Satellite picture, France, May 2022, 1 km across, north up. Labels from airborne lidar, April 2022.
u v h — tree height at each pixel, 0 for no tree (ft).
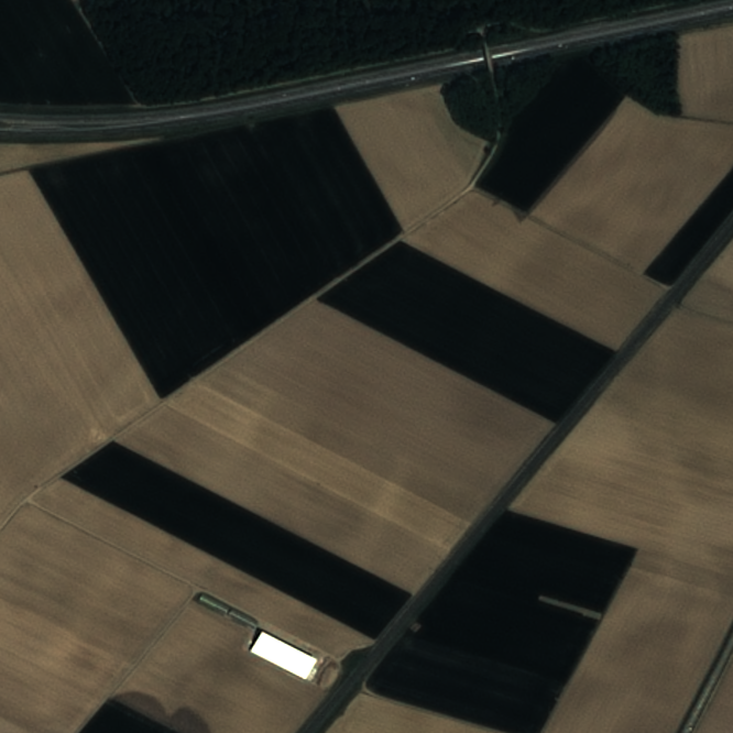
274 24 94
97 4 47
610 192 0
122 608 0
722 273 0
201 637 0
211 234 0
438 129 0
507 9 67
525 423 0
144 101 45
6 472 0
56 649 0
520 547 0
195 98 35
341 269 0
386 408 0
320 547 0
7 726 0
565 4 61
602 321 0
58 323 0
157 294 0
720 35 0
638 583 0
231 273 0
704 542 0
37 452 0
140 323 0
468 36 39
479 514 0
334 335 0
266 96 0
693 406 0
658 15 0
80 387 0
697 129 0
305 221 0
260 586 0
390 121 0
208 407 0
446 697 0
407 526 0
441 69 0
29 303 0
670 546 0
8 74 0
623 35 0
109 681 0
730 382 0
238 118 0
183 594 0
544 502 0
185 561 0
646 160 0
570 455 0
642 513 0
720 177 0
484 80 59
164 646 0
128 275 0
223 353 0
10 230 0
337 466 0
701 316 0
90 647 0
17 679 0
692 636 0
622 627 0
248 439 0
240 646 0
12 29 0
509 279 0
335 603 0
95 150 0
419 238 0
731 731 0
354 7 86
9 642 0
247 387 0
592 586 0
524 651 0
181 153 0
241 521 0
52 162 0
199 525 0
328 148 0
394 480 0
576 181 0
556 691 0
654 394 0
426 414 0
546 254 0
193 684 0
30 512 0
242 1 57
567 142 0
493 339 0
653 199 0
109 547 0
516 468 0
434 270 0
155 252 0
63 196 0
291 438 0
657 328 0
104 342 0
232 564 0
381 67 0
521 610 0
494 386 0
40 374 0
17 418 0
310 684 0
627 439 0
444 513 0
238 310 0
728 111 0
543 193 0
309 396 0
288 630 0
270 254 0
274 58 83
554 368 0
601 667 0
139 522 0
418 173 0
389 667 0
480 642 0
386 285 0
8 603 0
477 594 0
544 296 0
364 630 0
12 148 0
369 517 0
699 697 0
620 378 0
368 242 0
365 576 0
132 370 0
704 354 0
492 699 0
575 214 0
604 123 0
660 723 0
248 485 0
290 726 0
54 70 0
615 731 0
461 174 0
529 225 0
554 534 0
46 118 0
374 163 0
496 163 0
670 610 0
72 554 0
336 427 0
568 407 0
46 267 0
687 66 0
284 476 0
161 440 0
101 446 0
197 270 0
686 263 0
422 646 0
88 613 0
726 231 0
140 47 81
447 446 0
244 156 0
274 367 0
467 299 0
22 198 0
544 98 0
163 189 0
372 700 0
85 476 0
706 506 0
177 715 0
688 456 0
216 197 0
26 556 0
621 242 0
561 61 0
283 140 0
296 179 0
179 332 0
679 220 0
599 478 0
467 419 0
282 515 0
